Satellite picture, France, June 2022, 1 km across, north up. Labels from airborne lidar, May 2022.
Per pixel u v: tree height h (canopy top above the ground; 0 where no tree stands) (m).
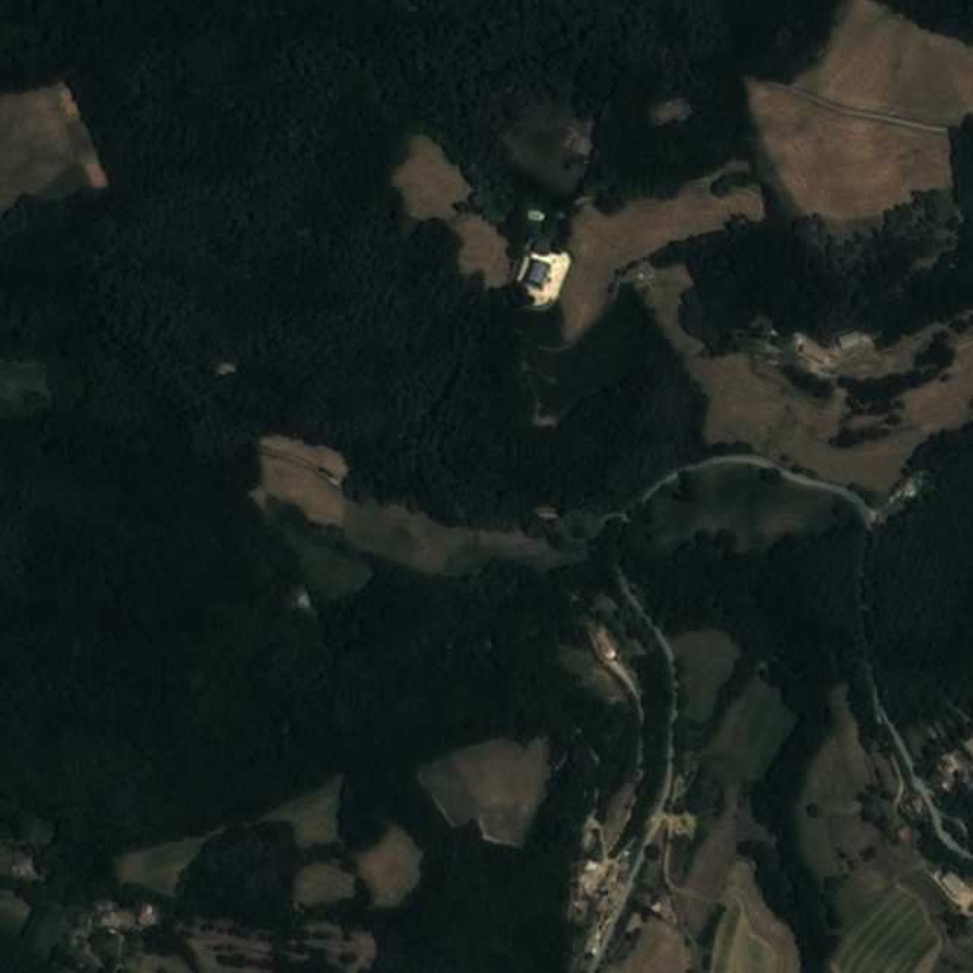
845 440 15
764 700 0
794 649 23
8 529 19
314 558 0
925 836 13
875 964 0
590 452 25
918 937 0
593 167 13
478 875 17
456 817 0
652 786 12
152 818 19
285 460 0
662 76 20
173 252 31
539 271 0
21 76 22
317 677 25
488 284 0
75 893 15
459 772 0
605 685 0
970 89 0
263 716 22
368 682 19
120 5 24
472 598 25
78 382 15
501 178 22
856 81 0
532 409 24
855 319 12
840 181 0
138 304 39
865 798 16
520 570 10
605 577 14
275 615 11
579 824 8
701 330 18
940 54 0
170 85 7
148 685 11
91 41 18
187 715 25
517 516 31
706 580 11
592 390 0
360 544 0
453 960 19
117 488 31
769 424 0
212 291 16
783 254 21
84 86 24
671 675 13
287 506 0
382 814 15
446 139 19
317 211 24
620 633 7
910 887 0
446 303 26
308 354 31
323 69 23
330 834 0
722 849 0
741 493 0
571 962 8
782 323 13
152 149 21
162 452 32
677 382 22
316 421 23
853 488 11
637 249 0
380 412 18
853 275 13
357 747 19
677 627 10
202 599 26
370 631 24
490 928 14
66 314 25
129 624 6
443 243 24
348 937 8
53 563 25
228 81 19
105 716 20
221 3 21
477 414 22
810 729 21
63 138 0
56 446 34
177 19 28
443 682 19
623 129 25
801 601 24
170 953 14
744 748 0
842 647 10
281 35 22
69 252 26
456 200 0
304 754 21
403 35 22
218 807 20
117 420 18
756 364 0
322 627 8
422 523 0
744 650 6
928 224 18
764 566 22
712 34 34
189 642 23
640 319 6
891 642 21
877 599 19
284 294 18
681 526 0
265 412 24
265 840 8
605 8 27
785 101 0
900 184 0
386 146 29
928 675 21
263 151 17
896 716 14
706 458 18
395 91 22
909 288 15
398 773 16
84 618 7
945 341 15
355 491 16
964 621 21
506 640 22
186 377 31
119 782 21
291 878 8
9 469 23
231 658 18
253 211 23
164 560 21
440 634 19
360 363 22
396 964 17
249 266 15
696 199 0
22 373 0
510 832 0
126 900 13
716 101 20
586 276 0
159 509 27
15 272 23
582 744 14
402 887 0
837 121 0
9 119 0
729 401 0
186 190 23
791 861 21
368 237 30
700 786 11
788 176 0
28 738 20
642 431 21
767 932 0
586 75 19
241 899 11
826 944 13
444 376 29
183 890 11
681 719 12
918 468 21
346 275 28
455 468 18
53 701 17
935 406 0
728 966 0
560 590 25
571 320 0
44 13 25
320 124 28
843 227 0
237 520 27
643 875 10
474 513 35
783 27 21
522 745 8
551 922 13
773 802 18
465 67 23
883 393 16
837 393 0
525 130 0
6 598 20
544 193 14
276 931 13
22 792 21
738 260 21
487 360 21
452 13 20
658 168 22
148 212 32
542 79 24
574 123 0
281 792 22
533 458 19
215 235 22
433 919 9
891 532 19
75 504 21
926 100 0
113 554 24
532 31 31
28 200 17
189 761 26
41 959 19
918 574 21
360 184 26
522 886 15
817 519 0
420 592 24
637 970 0
